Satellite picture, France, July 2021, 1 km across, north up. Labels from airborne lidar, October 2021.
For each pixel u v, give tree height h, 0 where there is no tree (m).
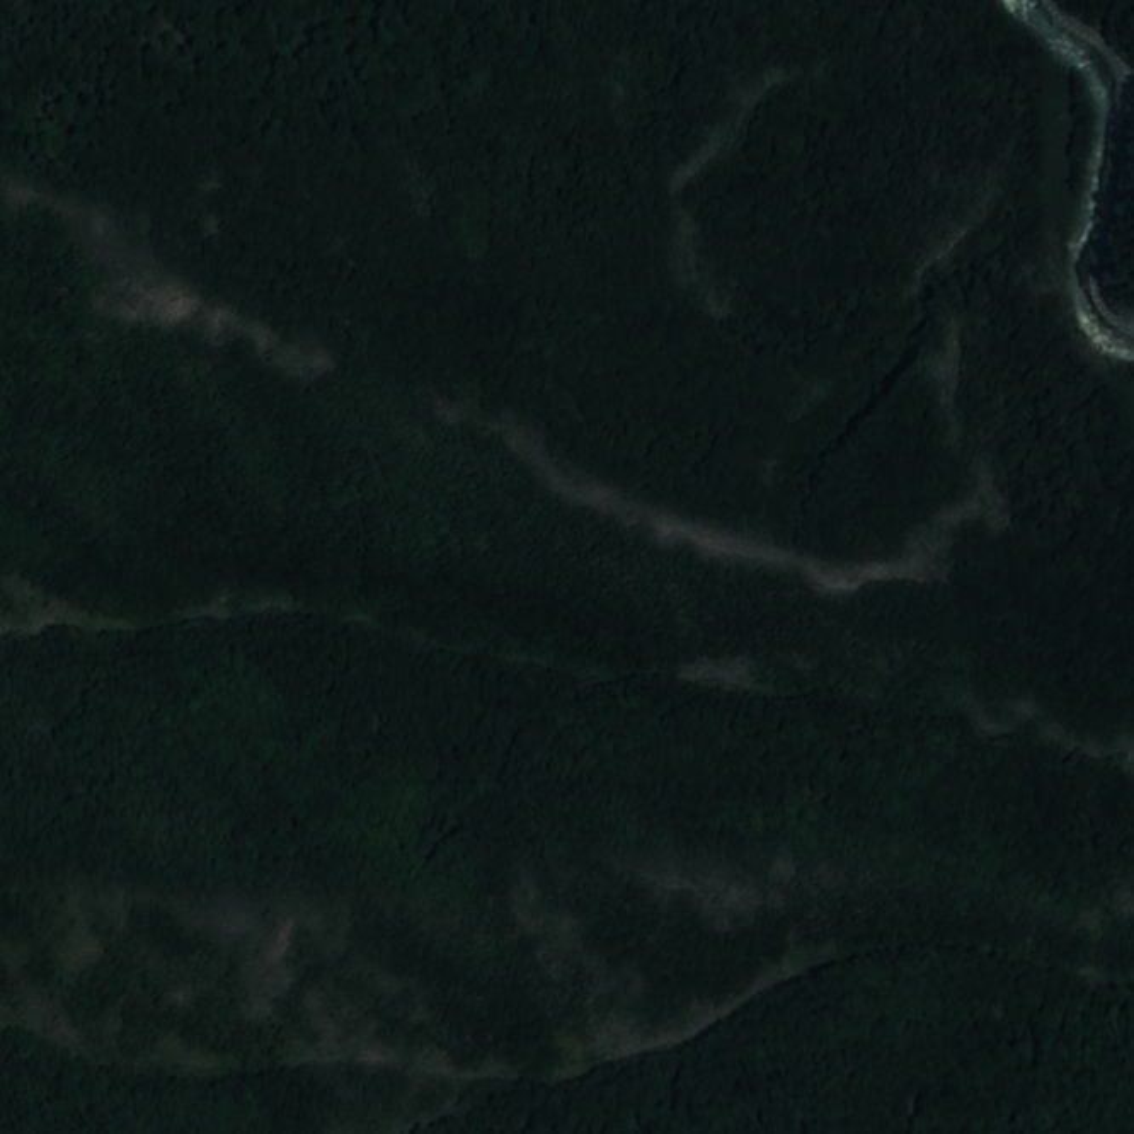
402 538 21
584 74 20
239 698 15
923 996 18
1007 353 32
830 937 14
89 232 0
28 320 22
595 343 25
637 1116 25
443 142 29
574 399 21
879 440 21
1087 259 15
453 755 19
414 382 13
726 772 19
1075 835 25
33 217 13
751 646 13
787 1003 17
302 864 11
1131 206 16
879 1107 14
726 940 14
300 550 14
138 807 7
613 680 6
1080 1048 20
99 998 11
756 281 18
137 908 8
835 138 26
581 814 13
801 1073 16
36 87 23
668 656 11
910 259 13
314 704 21
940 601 21
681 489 19
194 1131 10
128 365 19
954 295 23
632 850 7
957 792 15
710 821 17
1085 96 18
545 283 18
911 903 15
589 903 10
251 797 16
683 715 24
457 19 20
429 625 11
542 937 7
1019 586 20
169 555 14
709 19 20
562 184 7
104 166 23
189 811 10
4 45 24
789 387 11
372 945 8
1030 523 25
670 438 19
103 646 12
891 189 16
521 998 16
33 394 21
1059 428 29
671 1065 25
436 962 14
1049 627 19
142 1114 13
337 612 9
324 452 19
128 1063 9
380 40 34
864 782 22
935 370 8
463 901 10
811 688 10
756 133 22
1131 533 21
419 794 23
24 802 11
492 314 21
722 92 11
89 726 14
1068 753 6
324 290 18
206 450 18
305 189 15
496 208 17
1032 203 24
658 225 25
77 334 9
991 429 13
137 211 12
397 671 24
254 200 12
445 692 17
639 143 25
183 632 16
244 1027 12
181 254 14
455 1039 11
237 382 19
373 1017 12
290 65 39
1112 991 25
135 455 21
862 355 20
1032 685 22
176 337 10
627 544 17
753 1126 23
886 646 7
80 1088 20
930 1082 17
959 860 9
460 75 6
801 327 23
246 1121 13
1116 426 29
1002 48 21
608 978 7
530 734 33
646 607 12
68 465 17
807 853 6
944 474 17
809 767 23
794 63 13
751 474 15
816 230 18
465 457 14
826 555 11
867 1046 18
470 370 13
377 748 14
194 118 35
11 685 15
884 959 17
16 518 15
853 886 8
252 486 18
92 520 11
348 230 16
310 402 17
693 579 12
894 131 20
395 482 17
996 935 13
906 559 8
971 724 16
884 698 9
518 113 20
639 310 21
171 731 21
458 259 16
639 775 14
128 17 29
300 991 8
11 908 13
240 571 14
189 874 10
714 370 23
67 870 11
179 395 21
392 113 25
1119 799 25
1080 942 12
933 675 9
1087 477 32
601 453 19
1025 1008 24
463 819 26
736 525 11
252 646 19
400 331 22
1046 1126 18
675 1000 10
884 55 21
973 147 15
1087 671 16
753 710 14
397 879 12
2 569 14
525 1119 17
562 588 19
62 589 16
